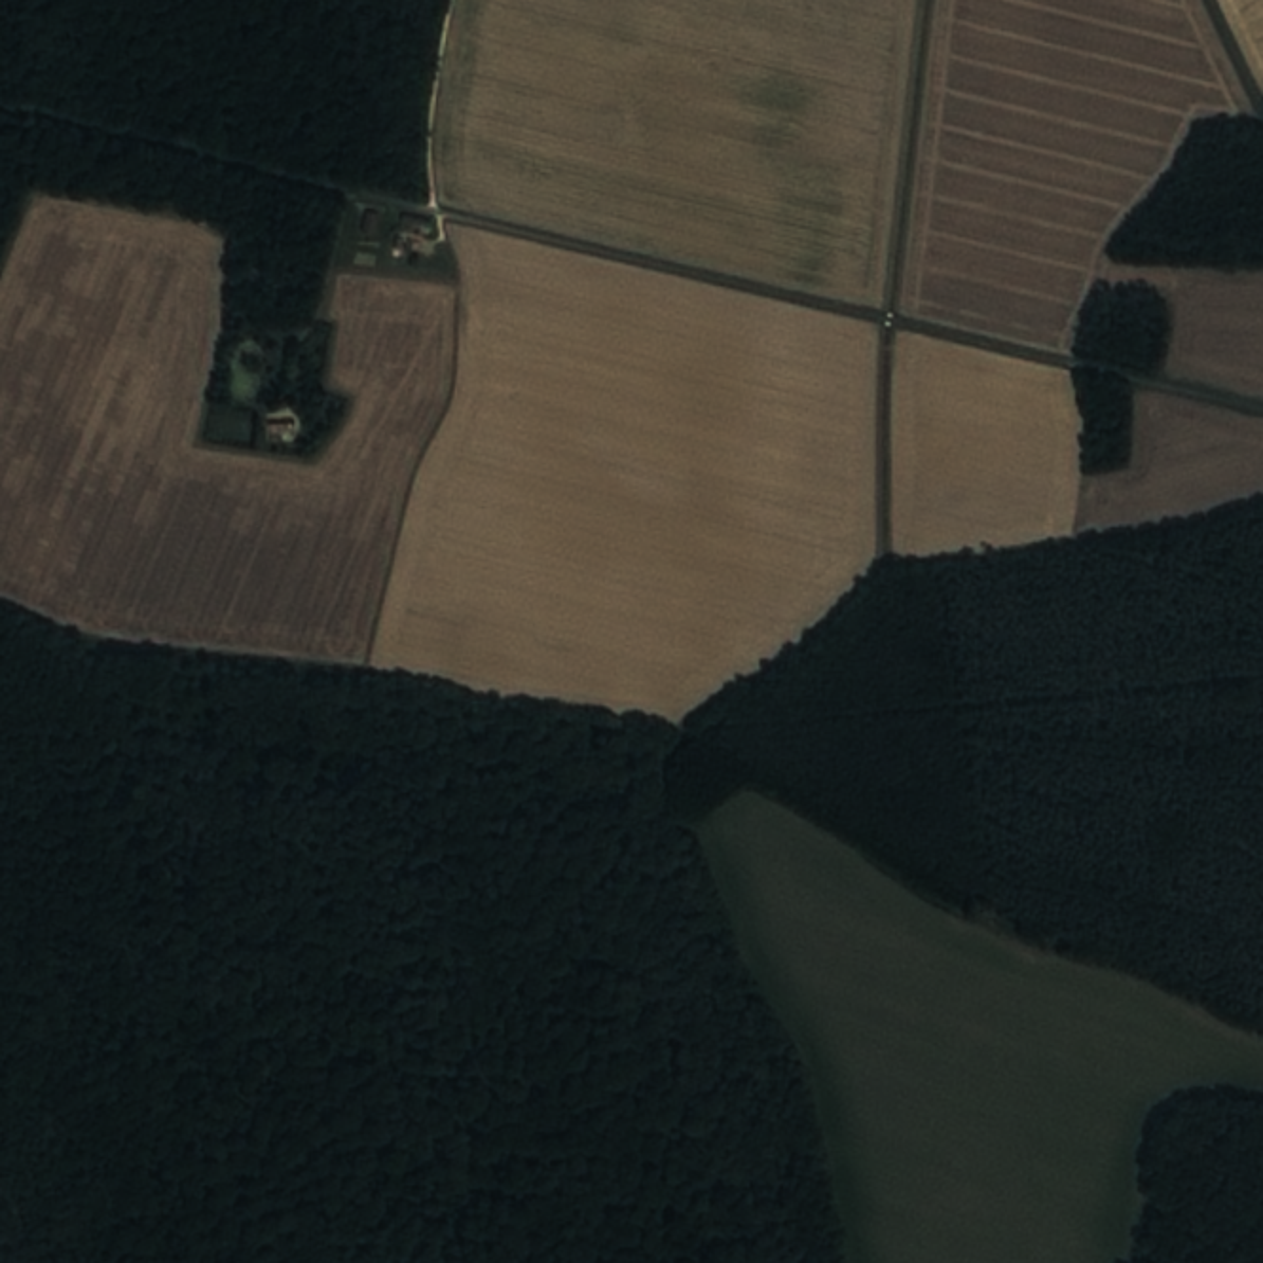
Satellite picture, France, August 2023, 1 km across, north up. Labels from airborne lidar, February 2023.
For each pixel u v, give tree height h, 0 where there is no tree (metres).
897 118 0
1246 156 20
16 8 21
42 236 0
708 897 15
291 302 21
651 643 0
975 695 18
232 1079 23
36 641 24
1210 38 0
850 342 0
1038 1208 0
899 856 6
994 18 0
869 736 12
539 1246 25
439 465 0
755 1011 18
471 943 25
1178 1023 0
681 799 17
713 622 0
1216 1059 0
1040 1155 0
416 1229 22
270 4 15
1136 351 19
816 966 0
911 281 0
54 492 0
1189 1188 19
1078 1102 0
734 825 0
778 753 16
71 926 18
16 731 20
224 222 12
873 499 0
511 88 0
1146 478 0
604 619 0
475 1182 25
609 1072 22
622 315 0
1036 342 0
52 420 0
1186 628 18
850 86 0
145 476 0
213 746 24
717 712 13
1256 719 19
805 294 0
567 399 0
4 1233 19
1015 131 0
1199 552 18
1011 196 0
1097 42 0
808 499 0
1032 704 20
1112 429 12
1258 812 19
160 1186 19
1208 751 19
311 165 21
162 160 17
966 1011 0
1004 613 17
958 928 0
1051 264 0
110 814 29
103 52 20
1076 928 20
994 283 0
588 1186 25
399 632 0
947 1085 0
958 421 0
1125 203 0
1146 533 13
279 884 25
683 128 0
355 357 0
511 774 24
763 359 0
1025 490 0
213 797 26
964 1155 0
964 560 11
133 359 0
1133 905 19
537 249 0
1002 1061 0
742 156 0
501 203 0
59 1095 21
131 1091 20
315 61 20
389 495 0
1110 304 18
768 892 0
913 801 13
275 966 26
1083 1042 0
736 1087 23
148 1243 22
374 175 22
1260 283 0
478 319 0
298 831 30
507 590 0
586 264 0
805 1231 15
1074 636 18
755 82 0
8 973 22
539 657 0
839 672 16
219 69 20
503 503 0
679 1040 14
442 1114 26
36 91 24
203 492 0
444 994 25
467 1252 26
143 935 26
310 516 0
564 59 0
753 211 0
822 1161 15
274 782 20
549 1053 25
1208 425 0
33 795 21
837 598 0
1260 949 19
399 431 0
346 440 0
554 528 0
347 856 21
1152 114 0
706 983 21
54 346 0
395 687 16
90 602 0
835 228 0
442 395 0
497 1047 23
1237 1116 18
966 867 15
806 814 7
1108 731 18
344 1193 24
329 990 16
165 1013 25
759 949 0
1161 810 18
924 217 0
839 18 0
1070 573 19
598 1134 22
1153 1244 21
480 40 0
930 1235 0
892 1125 0
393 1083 20
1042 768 21
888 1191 0
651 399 0
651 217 0
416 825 26
